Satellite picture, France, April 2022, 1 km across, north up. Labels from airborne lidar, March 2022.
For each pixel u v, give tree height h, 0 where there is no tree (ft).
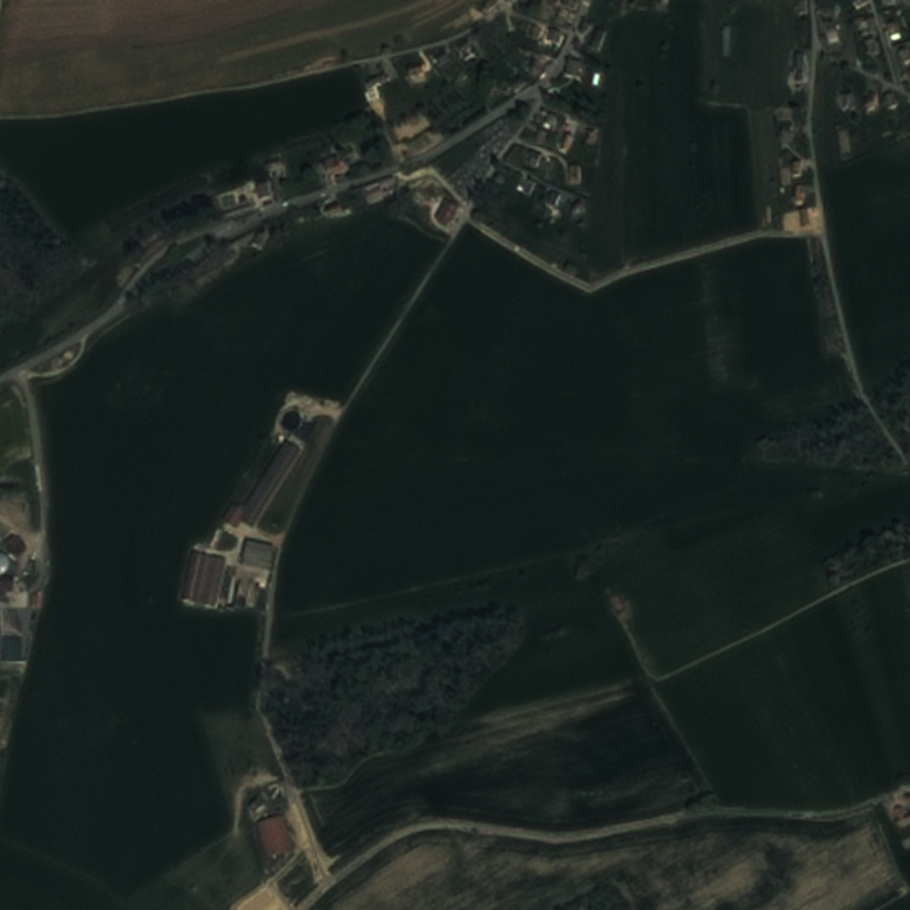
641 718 0
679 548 0
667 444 0
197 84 0
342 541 0
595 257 0
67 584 0
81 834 0
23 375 0
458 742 0
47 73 0
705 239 0
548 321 0
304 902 0
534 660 0
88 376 0
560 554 0
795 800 0
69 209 0
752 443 0
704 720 0
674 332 0
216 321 0
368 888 0
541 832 0
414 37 0
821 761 0
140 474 0
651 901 0
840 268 0
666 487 0
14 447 0
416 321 0
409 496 0
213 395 0
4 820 0
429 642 80
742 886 0
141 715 0
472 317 0
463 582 0
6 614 0
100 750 0
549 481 0
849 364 0
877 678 0
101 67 0
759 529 0
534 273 0
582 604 0
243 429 0
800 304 0
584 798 0
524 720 0
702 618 0
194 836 0
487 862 0
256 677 0
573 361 0
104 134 0
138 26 0
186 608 0
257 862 0
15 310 83
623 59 0
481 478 0
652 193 0
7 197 69
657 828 0
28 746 0
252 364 0
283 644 0
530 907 0
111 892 0
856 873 0
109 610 0
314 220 0
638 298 0
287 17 0
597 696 0
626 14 0
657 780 0
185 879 0
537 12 47
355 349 0
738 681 0
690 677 0
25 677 0
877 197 0
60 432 0
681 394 0
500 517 0
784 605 0
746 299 0
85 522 0
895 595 0
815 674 0
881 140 0
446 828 0
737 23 0
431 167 0
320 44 0
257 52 0
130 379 0
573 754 0
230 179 0
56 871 0
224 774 0
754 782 0
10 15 0
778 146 0
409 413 0
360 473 0
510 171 28
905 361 0
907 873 0
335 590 0
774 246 0
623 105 0
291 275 0
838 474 0
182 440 0
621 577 0
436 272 0
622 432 0
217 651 0
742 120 0
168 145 0
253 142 0
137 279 0
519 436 0
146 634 0
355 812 0
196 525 0
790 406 0
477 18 0
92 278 0
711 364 0
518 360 0
